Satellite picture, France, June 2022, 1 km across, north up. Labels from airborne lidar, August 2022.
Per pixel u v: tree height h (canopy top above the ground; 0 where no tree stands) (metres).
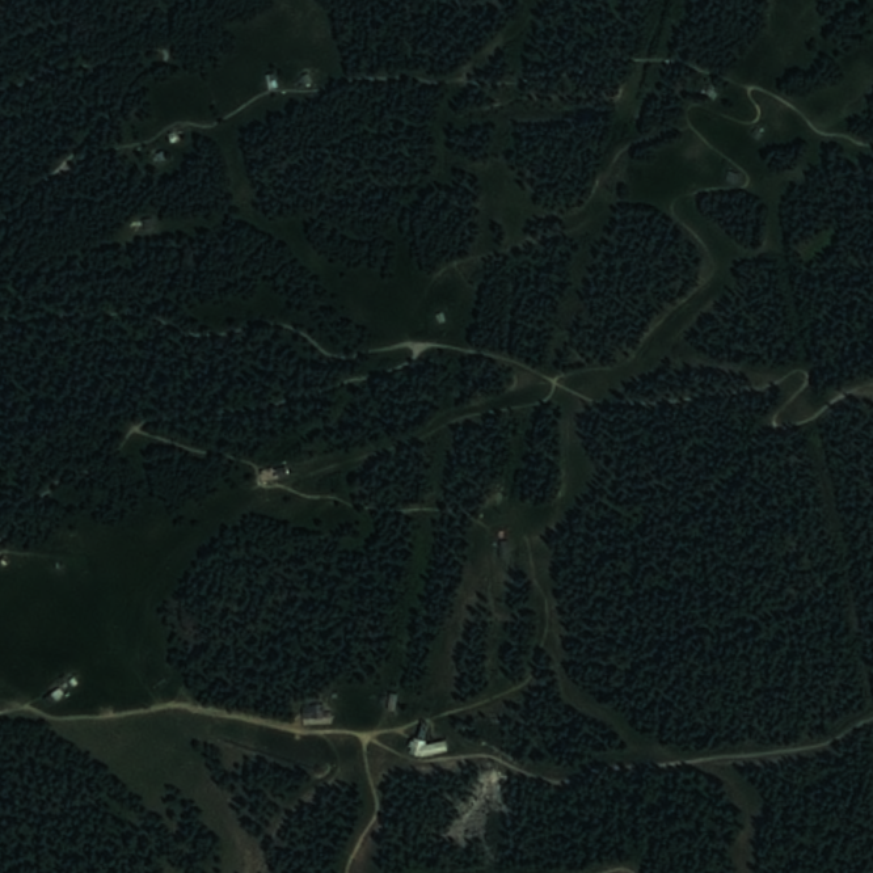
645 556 12
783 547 28
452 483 24
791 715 15
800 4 0
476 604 0
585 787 29
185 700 0
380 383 24
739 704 24
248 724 0
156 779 0
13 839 24
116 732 0
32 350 12
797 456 9
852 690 15
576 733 20
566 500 0
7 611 0
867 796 19
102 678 0
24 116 9
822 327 20
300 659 6
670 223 24
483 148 23
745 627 22
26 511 28
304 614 23
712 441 24
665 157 0
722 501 6
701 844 25
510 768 0
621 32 27
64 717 0
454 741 0
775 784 22
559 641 0
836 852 23
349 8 19
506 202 0
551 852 21
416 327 0
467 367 22
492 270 8
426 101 20
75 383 25
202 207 20
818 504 12
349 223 20
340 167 7
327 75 0
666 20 12
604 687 25
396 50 13
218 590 17
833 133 0
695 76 25
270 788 27
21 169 19
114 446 21
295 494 0
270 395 21
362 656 6
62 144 18
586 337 24
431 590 9
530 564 0
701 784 33
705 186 0
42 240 21
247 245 28
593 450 19
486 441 16
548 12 24
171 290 21
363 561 26
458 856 21
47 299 7
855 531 21
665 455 21
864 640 7
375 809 0
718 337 9
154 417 23
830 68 24
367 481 25
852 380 20
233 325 16
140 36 26
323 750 0
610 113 12
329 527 0
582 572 7
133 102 21
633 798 8
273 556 20
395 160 24
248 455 20
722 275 0
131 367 30
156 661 0
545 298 21
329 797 27
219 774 20
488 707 0
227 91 0
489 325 19
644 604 27
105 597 0
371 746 0
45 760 27
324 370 30
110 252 22
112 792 26
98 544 0
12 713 0
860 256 22
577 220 0
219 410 25
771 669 26
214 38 23
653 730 28
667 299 18
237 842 0
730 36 21
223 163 21
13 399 30
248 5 20
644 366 0
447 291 0
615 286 21
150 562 0
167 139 9
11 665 0
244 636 25
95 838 27
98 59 21
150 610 0
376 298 0
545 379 0
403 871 27
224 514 0
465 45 27
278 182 23
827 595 7
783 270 8
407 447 24
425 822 25
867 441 19
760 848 20
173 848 27
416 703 0
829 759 18
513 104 6
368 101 9
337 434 26
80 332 28
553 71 25
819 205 20
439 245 22
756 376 0
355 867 0
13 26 21
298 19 0
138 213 23
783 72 0
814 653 19
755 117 0
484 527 0
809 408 0
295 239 0
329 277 0
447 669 0
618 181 0
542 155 19
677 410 29
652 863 17
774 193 0
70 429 27
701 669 23
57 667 0
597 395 0
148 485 7
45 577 0
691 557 31
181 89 0
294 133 22
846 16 21
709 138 0
